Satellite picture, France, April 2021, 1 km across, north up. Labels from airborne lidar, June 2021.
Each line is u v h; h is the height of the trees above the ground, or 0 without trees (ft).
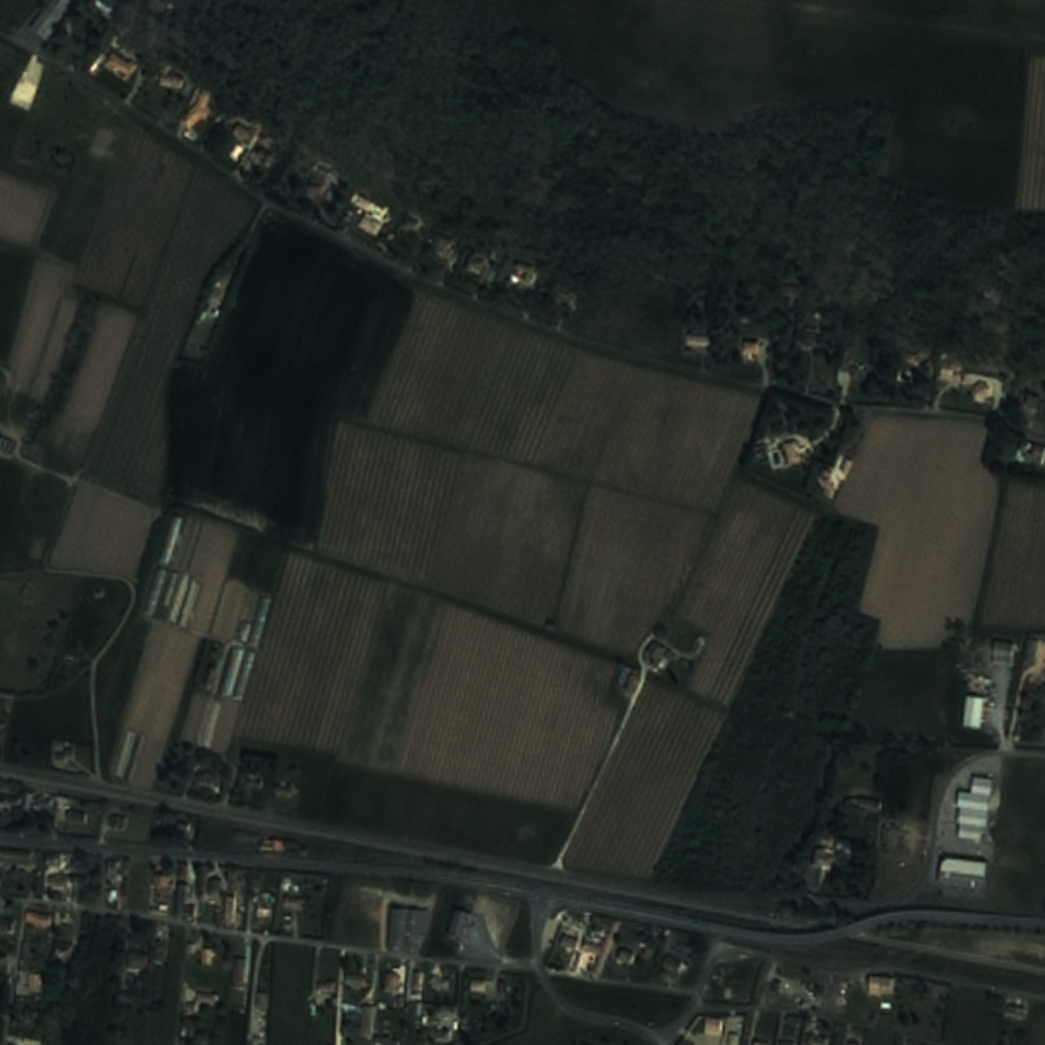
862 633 25
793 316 36
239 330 0
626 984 0
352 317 0
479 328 0
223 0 42
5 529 0
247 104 40
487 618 0
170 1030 0
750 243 54
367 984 24
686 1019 0
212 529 0
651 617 0
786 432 24
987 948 0
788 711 25
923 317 26
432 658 0
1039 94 0
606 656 0
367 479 0
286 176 45
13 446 0
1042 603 0
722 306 51
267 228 0
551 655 0
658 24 0
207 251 0
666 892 0
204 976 0
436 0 70
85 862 54
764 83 0
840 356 61
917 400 57
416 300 0
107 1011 28
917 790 0
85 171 0
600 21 0
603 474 0
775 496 0
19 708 0
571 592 0
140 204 0
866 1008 0
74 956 29
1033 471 28
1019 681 0
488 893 0
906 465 0
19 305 0
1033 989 0
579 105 58
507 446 0
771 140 64
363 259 0
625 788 0
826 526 23
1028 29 0
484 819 0
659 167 52
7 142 0
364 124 73
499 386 0
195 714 0
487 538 0
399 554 0
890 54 0
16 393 0
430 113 67
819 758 0
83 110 0
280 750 0
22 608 0
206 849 0
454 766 0
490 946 0
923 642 0
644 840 0
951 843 0
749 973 0
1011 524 0
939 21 0
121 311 0
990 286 56
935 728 0
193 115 0
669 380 0
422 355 0
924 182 0
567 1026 0
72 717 0
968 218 18
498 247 68
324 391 0
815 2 0
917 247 56
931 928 39
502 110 70
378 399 0
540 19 0
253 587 0
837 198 73
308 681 0
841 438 22
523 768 0
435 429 0
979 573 0
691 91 0
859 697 36
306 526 0
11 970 0
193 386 0
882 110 38
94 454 0
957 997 0
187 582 0
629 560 0
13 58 59
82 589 0
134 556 0
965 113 0
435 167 51
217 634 0
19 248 0
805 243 64
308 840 0
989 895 0
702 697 0
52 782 0
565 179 45
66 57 31
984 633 0
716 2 0
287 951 0
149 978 28
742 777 0
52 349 0
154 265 0
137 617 0
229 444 0
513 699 0
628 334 0
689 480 0
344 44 51
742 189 102
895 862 0
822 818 48
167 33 45
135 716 0
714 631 0
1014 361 48
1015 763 0
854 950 0
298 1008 0
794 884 53
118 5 42
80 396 0
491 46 48
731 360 25
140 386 0
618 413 0
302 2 23
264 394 0
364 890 0
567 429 0
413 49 90
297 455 0
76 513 0
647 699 0
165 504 0
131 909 0
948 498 0
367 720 0
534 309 44
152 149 0
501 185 55
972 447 0
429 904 0
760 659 24
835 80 0
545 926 0
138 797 0
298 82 37
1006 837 0
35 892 22
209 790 31
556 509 0
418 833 0
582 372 0
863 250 50
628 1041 0
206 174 0
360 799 0
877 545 0
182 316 0
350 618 0
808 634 24
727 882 17
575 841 0
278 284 0
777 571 0
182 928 0
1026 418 46
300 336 0
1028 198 0
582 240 49
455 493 0
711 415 0
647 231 27
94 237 0
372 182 72
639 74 0
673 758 0
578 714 0
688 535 0
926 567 0
